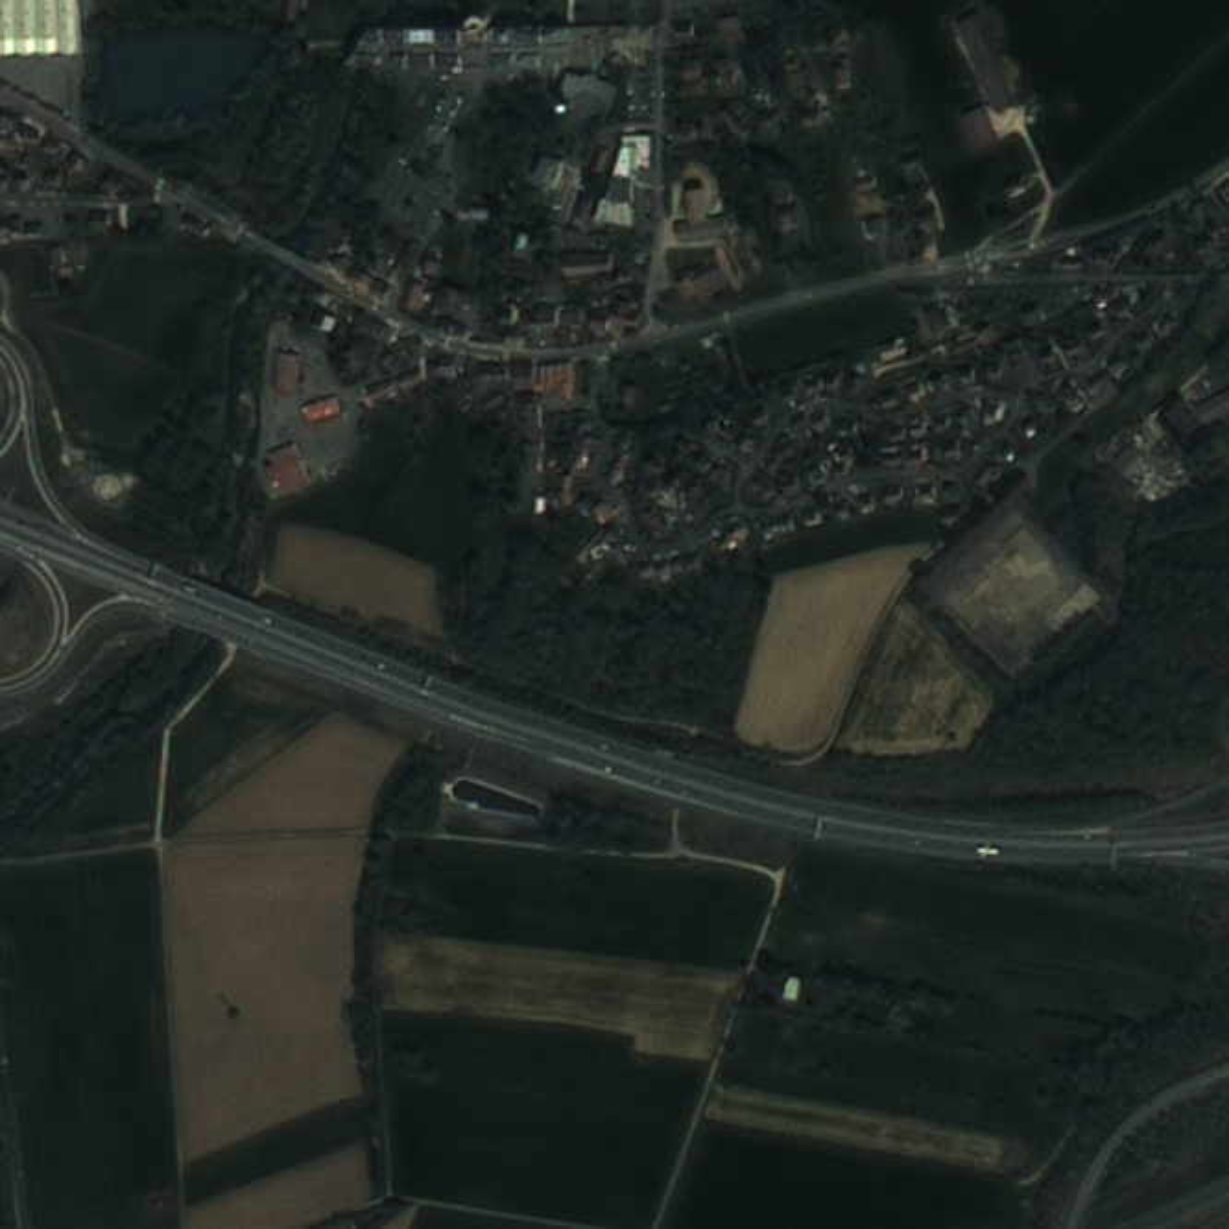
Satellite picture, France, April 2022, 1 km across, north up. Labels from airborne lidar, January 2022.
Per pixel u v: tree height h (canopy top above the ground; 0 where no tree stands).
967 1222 0
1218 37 0
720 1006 0
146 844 0
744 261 0
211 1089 0
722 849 0
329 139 18
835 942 0
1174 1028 21
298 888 0
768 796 0
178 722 0
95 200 0
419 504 0
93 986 0
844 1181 0
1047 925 0
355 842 0
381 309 0
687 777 0
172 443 15
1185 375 0
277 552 0
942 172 0
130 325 0
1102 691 22
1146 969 0
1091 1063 30
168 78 0
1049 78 0
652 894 0
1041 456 0
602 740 0
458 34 0
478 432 13
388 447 0
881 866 0
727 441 8
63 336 0
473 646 19
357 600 0
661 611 24
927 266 0
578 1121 0
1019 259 0
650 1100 0
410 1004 0
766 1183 0
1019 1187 0
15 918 0
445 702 0
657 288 0
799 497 0
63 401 0
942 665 0
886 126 7
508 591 14
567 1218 0
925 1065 0
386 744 0
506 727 0
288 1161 0
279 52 9
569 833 23
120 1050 0
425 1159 0
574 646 22
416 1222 0
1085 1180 0
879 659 0
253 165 7
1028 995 0
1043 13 0
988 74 0
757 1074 0
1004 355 8
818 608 0
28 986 0
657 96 0
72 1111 0
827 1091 0
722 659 26
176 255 0
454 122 0
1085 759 21
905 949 0
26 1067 0
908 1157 0
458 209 0
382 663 0
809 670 0
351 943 0
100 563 0
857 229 0
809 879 0
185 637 15
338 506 0
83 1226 0
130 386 0
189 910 0
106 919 0
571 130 0
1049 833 0
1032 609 0
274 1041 0
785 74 16
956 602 0
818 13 21
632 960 0
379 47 0
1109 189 0
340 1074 0
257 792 0
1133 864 8
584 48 0
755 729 0
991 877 7
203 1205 0
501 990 0
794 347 0
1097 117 0
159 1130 0
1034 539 0
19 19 0
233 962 0
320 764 0
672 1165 7
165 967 0
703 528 0
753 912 0
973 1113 0
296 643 0
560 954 0
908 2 0
